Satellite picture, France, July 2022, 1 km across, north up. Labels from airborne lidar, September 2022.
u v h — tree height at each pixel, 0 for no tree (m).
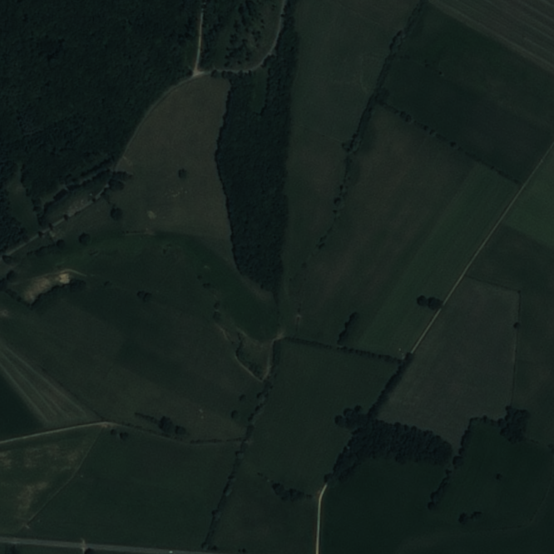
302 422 0
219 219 0
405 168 0
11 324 0
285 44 18
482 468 0
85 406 0
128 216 0
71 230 0
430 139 0
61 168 22
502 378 0
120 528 0
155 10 17
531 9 0
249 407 0
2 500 0
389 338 0
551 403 0
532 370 0
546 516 0
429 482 0
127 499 0
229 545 0
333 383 0
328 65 0
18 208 0
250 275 12
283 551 0
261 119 15
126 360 0
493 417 0
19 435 0
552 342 0
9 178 19
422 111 0
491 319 0
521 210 0
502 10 0
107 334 0
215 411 0
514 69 0
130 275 0
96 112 15
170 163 0
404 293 0
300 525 0
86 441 0
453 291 0
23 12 17
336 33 0
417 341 0
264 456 0
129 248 0
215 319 7
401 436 22
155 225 0
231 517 0
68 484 0
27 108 21
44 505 0
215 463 0
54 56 15
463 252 0
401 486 0
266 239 16
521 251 0
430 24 0
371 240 0
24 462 0
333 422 0
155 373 0
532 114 0
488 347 0
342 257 0
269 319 0
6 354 0
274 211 17
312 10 0
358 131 6
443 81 0
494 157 0
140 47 14
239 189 20
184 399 0
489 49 0
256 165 17
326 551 0
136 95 14
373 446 21
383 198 0
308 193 0
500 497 0
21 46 21
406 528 0
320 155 0
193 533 0
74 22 20
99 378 0
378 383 0
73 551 0
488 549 0
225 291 0
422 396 0
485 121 0
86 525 0
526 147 0
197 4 22
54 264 0
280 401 0
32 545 0
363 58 0
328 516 0
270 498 0
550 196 0
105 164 14
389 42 0
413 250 0
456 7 0
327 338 0
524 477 0
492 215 0
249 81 19
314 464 0
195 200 0
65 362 0
